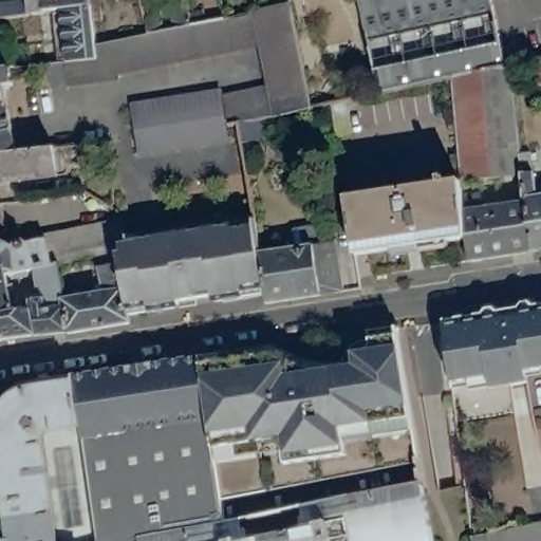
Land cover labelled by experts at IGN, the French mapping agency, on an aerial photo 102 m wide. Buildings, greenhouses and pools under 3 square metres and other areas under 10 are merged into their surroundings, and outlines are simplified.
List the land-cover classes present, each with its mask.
<instances>
[{"label":"building","instance_id":"1","mask_svg":"<svg viewBox=\"0 0 541 541\"><path fill-rule=\"evenodd\" d=\"M51 17V53L55 55V61L44 63V76L51 80L53 72L59 70L66 85L108 82L116 80V76L125 72L158 68L209 55H222L230 51H243V57L237 59V63L256 68L258 78H264V87L235 93H222L211 89L173 97L144 99L131 104V108L127 110L131 112V118L135 123V158L182 152L186 148L232 144V137L226 129V123L232 120L239 123L245 142L258 144H260L262 142L264 129V120L298 114L304 108L300 59L292 36L287 4L281 2L266 8H249L243 15H237L220 17L192 21L186 11L161 23L144 21V34L97 42L93 0H0V19L11 21L40 17ZM357 27L359 34H366V55L370 68L378 76L383 89L387 93H393L404 91L408 87L435 85L440 80H446L450 82L454 120L459 125H467L469 131L456 144V169L452 175L433 173L429 180L342 192L340 207L344 222L342 243H319L317 237L309 235L306 224L292 226V241L287 245L260 247L258 237L262 230L258 228L256 220L249 218V222L245 224L220 222L150 235H120L114 247H106L101 224H87L68 230L46 232L42 237L25 241L0 239V344H17L25 340L44 338H53L57 342H80L108 338L125 332L131 325V319L137 315H161L184 306H197L203 300H207L209 304H235L249 298H258L262 304L275 309H306L302 302H317L321 296V285L340 290V245L349 247L353 256H368L370 266L376 260H397L404 256L408 258V268L412 273L423 271L421 254L442 249L450 241L461 239L465 243V258L526 251L528 247H535L537 254H541V150H520L518 123H514V108L509 97L514 93L505 80L501 59L503 55L499 13L495 0H355ZM511 180H518L520 190L509 201H492L482 205L463 203L465 190H484L486 186H501ZM80 256H93V266L89 271L97 277L93 290L63 294L61 281L57 275V266L61 262ZM27 275L34 279V285L40 290V294L27 296L25 306H13L11 283ZM15 66L0 63V197L13 194V184L17 182L44 180L70 173L78 167V163H74V146H13V118H6L2 101L8 99V91L15 78ZM355 116H349V112L332 114L334 131L338 137L344 139L357 137L353 133ZM440 334L444 340L435 344L437 351H444V359L440 363L444 385L452 378L480 374L488 380V385L518 380L520 387L526 389L530 376L541 374V300L520 298L511 304H482L471 313H452L448 317H440ZM404 338L397 325H391L389 332L366 334L363 347L349 349L347 361L336 363L309 366L302 359L292 361L285 357L283 351L277 349L245 351L228 357L201 359L197 355H175L161 357L154 361L120 363L101 370H82L68 374L63 378L25 383L0 395V541H433L427 507L423 501L425 497L418 495V486L414 480L378 486L370 490L342 492L334 497L277 505L249 514H239L232 518L222 516V503L216 499V492L222 490L220 465L258 459L271 456L273 465H302L323 459H338L347 452V444L366 442L378 440H397L410 433L412 448L421 442L414 427L410 395L406 393L408 366H404ZM473 541H541V522H533L518 524L516 520H511L505 526H499L490 530H471Z\"/></svg>","mask_w":541,"mask_h":541},{"label":"impervious surface","instance_id":"2","mask_svg":"<svg viewBox=\"0 0 541 541\"><path fill-rule=\"evenodd\" d=\"M499 13L503 55L509 57L518 51H528L533 57L541 55V0H495ZM44 34L42 53H51V17H40ZM243 57V51H230L222 55H209L158 68L125 72L116 76V80L108 82L66 85L59 70L53 72L51 80L44 76L40 80L38 93L25 87L27 112L32 116H40L42 127L46 129V146H74L80 144L87 133H95L99 125H106L110 133L108 144L114 148L116 161L123 167V184L127 201L131 205L139 201H152V190L161 188L163 184L175 186L182 180L188 184L194 180L203 182L209 178H226L243 171L245 152H251L258 144L245 142L239 123L232 120L226 123V129L232 137V144L186 148L182 152L135 158V123L131 118V112L127 110L131 108V104L144 99L173 97L211 89L222 93H235L264 87V78H258L256 68L237 63V59ZM349 112V116H355L353 133L357 137L344 139V152L336 156L334 178L336 218L340 224L344 222L340 207L342 192L429 180L433 173L452 175L456 169V144L469 131L467 125H459L454 120L452 125L444 123V118L433 110L431 95L406 97L383 104L363 106L353 99L336 101L332 104V114ZM520 190L518 180H511L501 186H486L484 190H465L463 203L482 205L492 201H509ZM106 203L95 201L82 192L59 199L19 201L15 192L13 190V194L0 197V239L25 241L42 237L46 232L68 230L87 224H101ZM340 290L321 285V296L317 302H302L306 309H275L262 304L258 298H249L235 304H209L207 300H203L197 306H184L161 315H137L131 319V325L125 332L108 338L80 342H57L53 338H44L25 340L17 344H0V395L25 383L63 378L68 374L82 370H101L120 363L154 361L161 357L175 355H197L201 359L228 357L245 351L277 349L283 351L285 357L292 361L302 359L309 366L336 363L347 361L349 349L363 347L366 334L389 332L391 325H397L404 338V366H408L406 393L410 395L414 427L421 442L412 448L414 467L404 465L370 471L281 488L264 492L222 503V516L232 518L239 514H249L277 505L334 497L342 492L370 490L378 486L414 480L418 486V495L425 497L423 501L427 507L442 499V488L456 486L463 488L461 499H465V509H471L473 499L459 463L463 448L465 418L484 416L501 412L516 416L524 478L526 486L533 488L530 505L535 514H528V520L533 522H541V374L530 376L526 389L520 387L518 380L488 385V380L480 374L452 378L444 385L440 363L444 359V351H437L435 344L444 340L440 334V317H448L452 313H471L482 304H511L520 298L541 300V254H537L535 247H528L526 251L465 258L459 262L456 268L446 264V268L423 271L412 273L380 279V275L372 273L370 266L368 256H353L349 247L340 245ZM311 330L334 332L340 336V344H309L304 342V334ZM97 277L89 271L72 273L61 281L63 294L93 290ZM40 294V290L34 285V279L27 275L11 283L13 306H25L27 296Z\"/></svg>","mask_w":541,"mask_h":541},{"label":"herbaceous vegetation","instance_id":"3","mask_svg":"<svg viewBox=\"0 0 541 541\"><path fill-rule=\"evenodd\" d=\"M97 42L144 34V0H93ZM201 6L186 11L192 21L220 17L222 13L216 6V0H197ZM281 2L287 4L292 36L300 59L304 108L298 114L264 120V129L277 125L279 120H285L290 125V131L281 144V152L275 150L271 144L262 142L260 144L264 161V163H268V161L277 158L279 154H283V161H285V163L296 169L302 161L298 156V150L328 148V142L323 139L321 131L311 127L309 120L315 108L332 110V104L336 101L334 93H328L330 82L325 70L342 72L355 66L370 68L366 55V34H359L357 27L355 0H243L241 4H235L237 15H243L249 8H266ZM315 8H323L330 15V23L325 30V44L330 53L323 57L319 55V49L311 42L309 27L304 21V15H309ZM15 32L25 34L27 51L32 53L30 57L34 59V63H44L55 61V55L51 53H42L44 34L40 17L11 21ZM6 118H13V146H46V129L42 127L40 116H32L27 112L25 87L23 78H15L8 91V99L2 101ZM509 97L514 108V123H518L520 150H541V112H533L530 108H526L524 95L514 93ZM194 197L184 207L169 209L165 207V203L152 201H139L131 205L127 201L123 184L110 192H97L95 188L82 184V192L95 201L106 203L101 224L106 247H114L120 235H150L220 222L245 224L249 222V218L247 199L262 197L264 218L271 224L262 230L258 237L260 247L287 245L292 241V226L306 224L309 220H300L302 209L287 199L281 186V171H279V169H275V171H271V173H258L243 171L226 178L228 197L224 201H211L199 194L203 190V182L194 180L188 184ZM80 180L70 173L44 180L17 182L13 184V190L15 192L78 184ZM484 433L490 435L495 442L478 448L482 456L492 461H507L511 456L516 467L509 480L495 482V501H501L509 509L501 518L499 526H505L511 520H516L518 524L533 522L528 520V514H535L530 505L533 488L526 486L524 478L516 416L501 412L484 416ZM385 461H402L404 465L414 467L412 448L410 433L397 440H378ZM366 442L347 444V452L338 459H323L302 465H273L275 484L281 488L370 471L374 467V459H361V446ZM222 490L216 492V499L222 503L264 492L260 482L258 459L220 465ZM463 488L456 486L442 488V499L427 507L433 541H473L471 530H480V522L471 520V509H465V499H461Z\"/></svg>","mask_w":541,"mask_h":541},{"label":"deciduous trees","instance_id":"4","mask_svg":"<svg viewBox=\"0 0 541 541\"><path fill-rule=\"evenodd\" d=\"M201 6L197 0H144V21L161 23L186 11ZM243 0H216V6L222 13L220 17L237 15L235 4H241ZM304 21L309 27L311 42L319 49V55L323 57L330 53L325 44V30L330 23V15L323 8H315L309 15H304ZM32 53L27 51L25 34L15 32L11 21L0 19V63L15 66V78H23L25 87L38 93L40 80L44 76V63H34V59L30 57ZM501 59L505 80L514 93L524 95L526 108H530L533 112H541V55L533 57L528 51H518L509 57L503 55ZM330 82L328 93H334L336 101L353 99L363 106L383 104V89L378 76L370 68L355 66L342 72L325 70ZM311 127L321 131L323 139L328 142V148L298 150V156L302 161L296 169L285 163H283V171H281V186L287 199L302 209L300 220H309L306 224L309 235L317 237L319 243H342L344 222L340 224L336 218L334 178L336 156L344 152V139L338 137L334 131L332 114V110L315 108L309 120ZM290 131V125L285 120H279L277 125L264 129L262 142L271 144L275 150L281 152V144ZM110 133L106 125H99L95 133H87L80 144L74 146V163H78V167L70 173L80 180L78 184L15 192L19 201L59 199L82 192V184L95 188L97 192H110L123 184V167L116 161L114 148L108 144ZM262 161H264L260 144H258L251 152H245L243 171L258 173V171H260V167H262ZM199 194L211 201H224L228 197L226 178H209L203 182V190ZM194 197L188 184L182 180L175 186L163 184L161 188L152 190V201L165 203V207L169 209L184 207ZM304 342L309 344H340V336L334 332L311 330L304 334ZM459 463L473 499L471 509V520L480 522V530H490L499 526L501 518L509 509L501 501H495V482L492 461L482 456L478 448H463Z\"/></svg>","mask_w":541,"mask_h":541},{"label":"brushwood","instance_id":"5","mask_svg":"<svg viewBox=\"0 0 541 541\"><path fill-rule=\"evenodd\" d=\"M431 95L433 110L444 118V123L452 125L454 120L450 82L446 80H440L435 85L408 87L404 91L393 93H387L383 89V104L406 97ZM283 163H285V161H283V154H279L277 158L268 161V163H264V161H262V167H260V171H258V173H271V171H275V169H279V171H283ZM249 218L256 220L258 228L262 230L271 224L264 218L262 197L247 199ZM423 271L446 268V264L456 268L459 262L465 258V243L461 239L450 241L442 249L421 254ZM93 266V256H80L61 262L57 266V275L61 281L72 273L89 271ZM408 258L404 256L397 260H376L370 266L372 273L380 275V279L412 273L408 268ZM484 416L465 418L463 448H478L495 442L490 435L484 433ZM361 459H374V467L370 471L404 465L402 461H385L378 440L366 442L361 446ZM260 482L264 492L281 488L275 484L273 465L271 456L258 459ZM516 467L511 456L507 461H492L495 482L509 480Z\"/></svg>","mask_w":541,"mask_h":541}]
</instances>
